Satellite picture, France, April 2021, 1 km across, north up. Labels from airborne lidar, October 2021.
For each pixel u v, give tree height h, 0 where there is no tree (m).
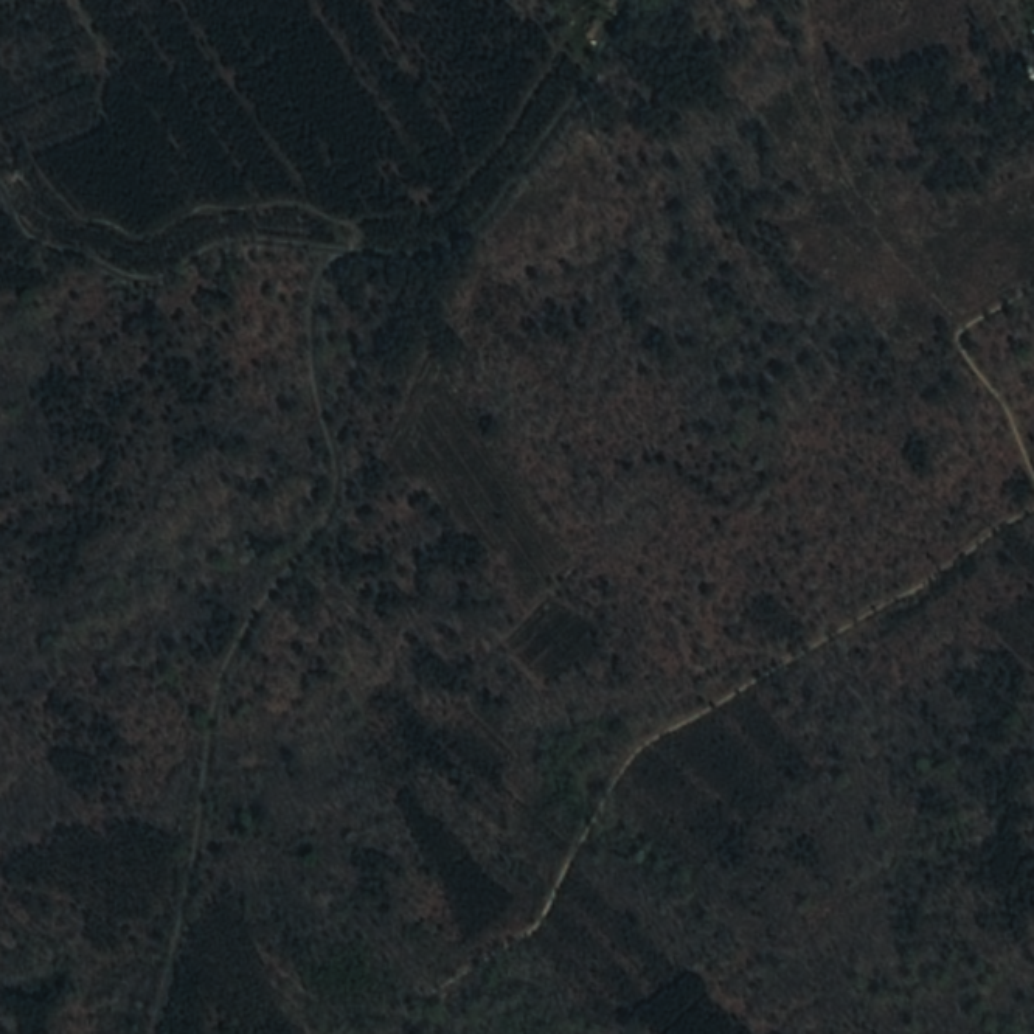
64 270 16
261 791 21
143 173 13
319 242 10
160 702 10
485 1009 27
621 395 11
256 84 14
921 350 0
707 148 16
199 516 17
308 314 19
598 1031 18
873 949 12
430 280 27
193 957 16
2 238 13
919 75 26
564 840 7
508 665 12
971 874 12
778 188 20
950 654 7
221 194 13
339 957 19
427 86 13
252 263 13
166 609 14
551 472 13
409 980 18
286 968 16
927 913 18
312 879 13
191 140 15
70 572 15
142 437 11
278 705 13
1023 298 9
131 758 14
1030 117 6
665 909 17
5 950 20
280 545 7
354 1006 21
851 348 15
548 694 9
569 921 7
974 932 13
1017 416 8
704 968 12
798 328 10
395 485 13
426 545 15
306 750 14
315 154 15
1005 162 27
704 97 28
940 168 14
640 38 31
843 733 19
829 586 9
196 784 7
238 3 13
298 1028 20
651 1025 14
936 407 22
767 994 10
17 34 13
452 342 24
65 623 16
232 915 18
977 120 19
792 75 15
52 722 9
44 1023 18
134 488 7
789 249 20
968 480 6
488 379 10
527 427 12
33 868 16
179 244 8
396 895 9
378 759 11
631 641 7
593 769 28
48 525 11
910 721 14
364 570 19
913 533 8
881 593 7
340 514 12
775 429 18
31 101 11
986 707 15
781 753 7
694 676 9
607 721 15
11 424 14
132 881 17
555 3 20
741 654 8
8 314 13
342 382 9
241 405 9
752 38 9
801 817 9
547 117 8
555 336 27
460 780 25
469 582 14
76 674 8
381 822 8
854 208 0
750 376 14
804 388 18
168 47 12
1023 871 17
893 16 6
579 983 6
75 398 11
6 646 12
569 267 18
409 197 10
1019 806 13
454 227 11
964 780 12
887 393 10
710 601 17
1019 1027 18
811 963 11
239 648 13
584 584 7
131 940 15
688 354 23
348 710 24
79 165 13
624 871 11
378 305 9
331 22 10
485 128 14
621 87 11
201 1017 16
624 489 10
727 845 7
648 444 7
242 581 12
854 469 7
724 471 9
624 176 11
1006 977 16
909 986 22
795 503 12
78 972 13
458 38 14
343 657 19
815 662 17
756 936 8
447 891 8
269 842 9
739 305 30
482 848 17
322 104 12
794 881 7
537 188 16
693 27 28
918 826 8
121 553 14
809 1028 8
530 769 11
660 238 18
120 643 9
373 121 15
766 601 8
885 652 7
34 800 14
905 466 6
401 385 21
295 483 15
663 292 13
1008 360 8
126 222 7
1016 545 8
